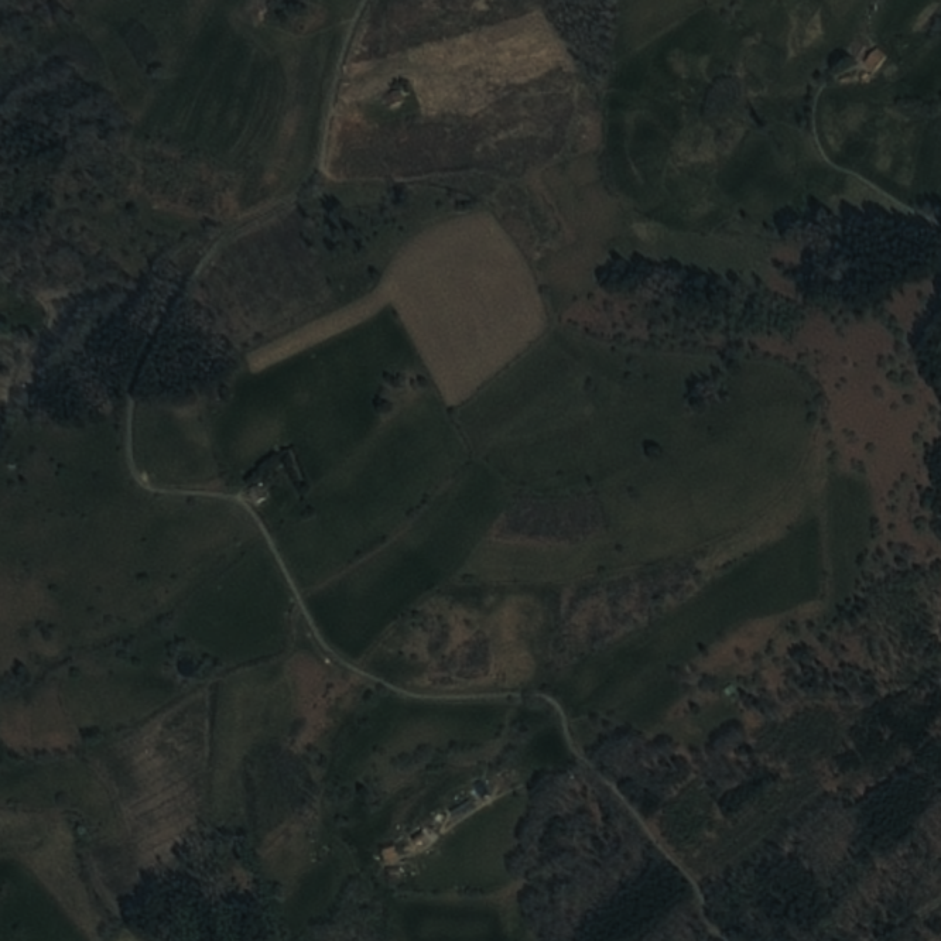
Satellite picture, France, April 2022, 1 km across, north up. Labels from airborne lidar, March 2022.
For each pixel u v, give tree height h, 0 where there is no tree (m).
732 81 13
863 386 0
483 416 0
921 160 0
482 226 0
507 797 0
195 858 26
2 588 0
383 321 0
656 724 0
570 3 24
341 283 0
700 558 0
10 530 0
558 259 0
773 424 0
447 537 0
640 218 0
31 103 12
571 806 25
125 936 0
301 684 0
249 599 0
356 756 0
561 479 8
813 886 24
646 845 25
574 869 34
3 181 10
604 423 0
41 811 0
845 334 10
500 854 0
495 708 0
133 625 0
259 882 27
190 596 0
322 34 0
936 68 0
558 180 0
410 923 0
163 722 0
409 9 0
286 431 0
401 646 0
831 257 13
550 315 0
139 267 0
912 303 0
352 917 23
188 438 0
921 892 24
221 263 0
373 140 0
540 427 0
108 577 0
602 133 0
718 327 7
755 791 12
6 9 29
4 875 0
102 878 0
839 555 0
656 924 27
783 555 0
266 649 0
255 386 0
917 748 7
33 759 17
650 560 0
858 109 0
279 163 0
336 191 0
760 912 22
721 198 0
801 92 0
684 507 0
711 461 0
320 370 0
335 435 0
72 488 0
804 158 0
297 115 0
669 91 0
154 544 0
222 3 0
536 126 0
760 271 0
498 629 0
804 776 0
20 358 8
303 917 0
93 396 24
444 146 0
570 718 0
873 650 16
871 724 8
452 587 0
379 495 0
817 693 19
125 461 0
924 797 17
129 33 0
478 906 0
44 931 0
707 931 25
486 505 0
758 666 11
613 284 23
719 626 0
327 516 0
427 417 0
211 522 0
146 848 0
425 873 0
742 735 25
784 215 0
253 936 39
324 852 0
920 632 14
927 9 0
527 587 0
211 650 0
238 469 0
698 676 15
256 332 0
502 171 0
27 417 13
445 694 0
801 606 0
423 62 0
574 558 0
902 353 16
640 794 19
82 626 0
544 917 28
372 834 0
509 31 0
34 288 9
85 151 13
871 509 0
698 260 0
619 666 0
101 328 22
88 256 10
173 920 31
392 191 9
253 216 0
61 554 0
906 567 17
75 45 0
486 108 0
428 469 0
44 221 17
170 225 0
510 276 0
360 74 0
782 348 0
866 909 25
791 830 20
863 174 0
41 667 0
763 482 0
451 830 0
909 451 0
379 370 0
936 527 11
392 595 0
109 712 0
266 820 0
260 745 0
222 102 0
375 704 15
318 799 24
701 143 0
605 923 27
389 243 0
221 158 0
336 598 0
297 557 0
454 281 0
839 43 0
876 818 16
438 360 0
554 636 9
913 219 0
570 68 0
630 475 0
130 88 0
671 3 0
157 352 24
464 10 0
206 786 0
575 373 0
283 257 0
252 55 0
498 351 0
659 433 0
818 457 0
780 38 0
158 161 6
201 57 0
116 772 0
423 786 0
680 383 0
